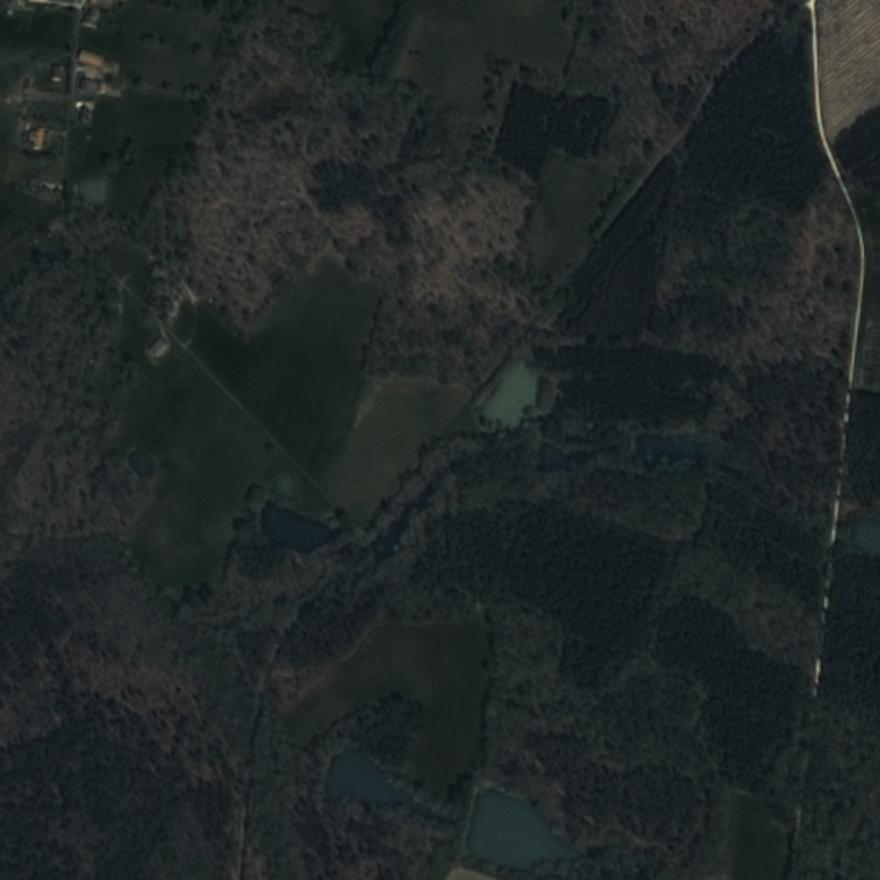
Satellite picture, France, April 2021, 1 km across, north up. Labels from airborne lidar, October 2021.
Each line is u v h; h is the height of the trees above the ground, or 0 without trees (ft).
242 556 78
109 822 51
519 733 83
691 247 62
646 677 68
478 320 34
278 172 40
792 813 51
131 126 0
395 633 0
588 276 28
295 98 20
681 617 65
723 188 55
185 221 34
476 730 0
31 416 32
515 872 23
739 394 64
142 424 0
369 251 55
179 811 55
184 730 46
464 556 67
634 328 28
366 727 67
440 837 67
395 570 58
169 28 0
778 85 47
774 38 46
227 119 64
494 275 36
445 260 55
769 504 56
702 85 25
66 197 43
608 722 72
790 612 70
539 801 44
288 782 49
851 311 23
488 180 60
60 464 59
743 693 69
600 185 0
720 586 61
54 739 40
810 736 65
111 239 47
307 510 0
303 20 62
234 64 44
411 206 49
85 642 49
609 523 73
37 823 40
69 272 68
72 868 47
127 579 70
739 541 63
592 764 73
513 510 66
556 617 59
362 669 0
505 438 44
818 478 75
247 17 58
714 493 59
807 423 44
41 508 44
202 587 0
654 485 62
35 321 49
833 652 63
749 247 52
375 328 31
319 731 0
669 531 83
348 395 0
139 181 0
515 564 59
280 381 0
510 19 0
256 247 43
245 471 0
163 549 0
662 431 73
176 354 0
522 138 40
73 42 0
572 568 63
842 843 51
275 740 61
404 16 57
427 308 38
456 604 80
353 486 0
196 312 0
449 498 63
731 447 83
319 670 34
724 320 59
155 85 0
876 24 0
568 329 32
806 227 46
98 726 41
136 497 58
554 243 0
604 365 46
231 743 41
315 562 54
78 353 41
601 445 53
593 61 44
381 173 46
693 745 71
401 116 56
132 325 0
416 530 73
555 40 0
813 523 68
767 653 66
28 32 0
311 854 39
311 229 23
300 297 0
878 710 64
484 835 0
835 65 0
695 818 81
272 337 0
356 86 46
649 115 58
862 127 37
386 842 53
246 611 66
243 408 0
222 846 39
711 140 50
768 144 37
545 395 65
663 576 63
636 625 58
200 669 46
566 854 0
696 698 65
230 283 55
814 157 52
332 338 0
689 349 44
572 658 64
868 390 0
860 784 79
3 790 47
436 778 0
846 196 50
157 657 47
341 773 0
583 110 40
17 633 39
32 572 52
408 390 0
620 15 26
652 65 42
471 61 0
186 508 0
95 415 55
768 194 44
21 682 41
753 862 0
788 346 32
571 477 66
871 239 0
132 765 55
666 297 35
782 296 43
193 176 71
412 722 56
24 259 0
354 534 71
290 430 0
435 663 0
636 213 41
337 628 69
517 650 71
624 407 41
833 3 0
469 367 43
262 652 65
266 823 72
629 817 70
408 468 0
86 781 55
